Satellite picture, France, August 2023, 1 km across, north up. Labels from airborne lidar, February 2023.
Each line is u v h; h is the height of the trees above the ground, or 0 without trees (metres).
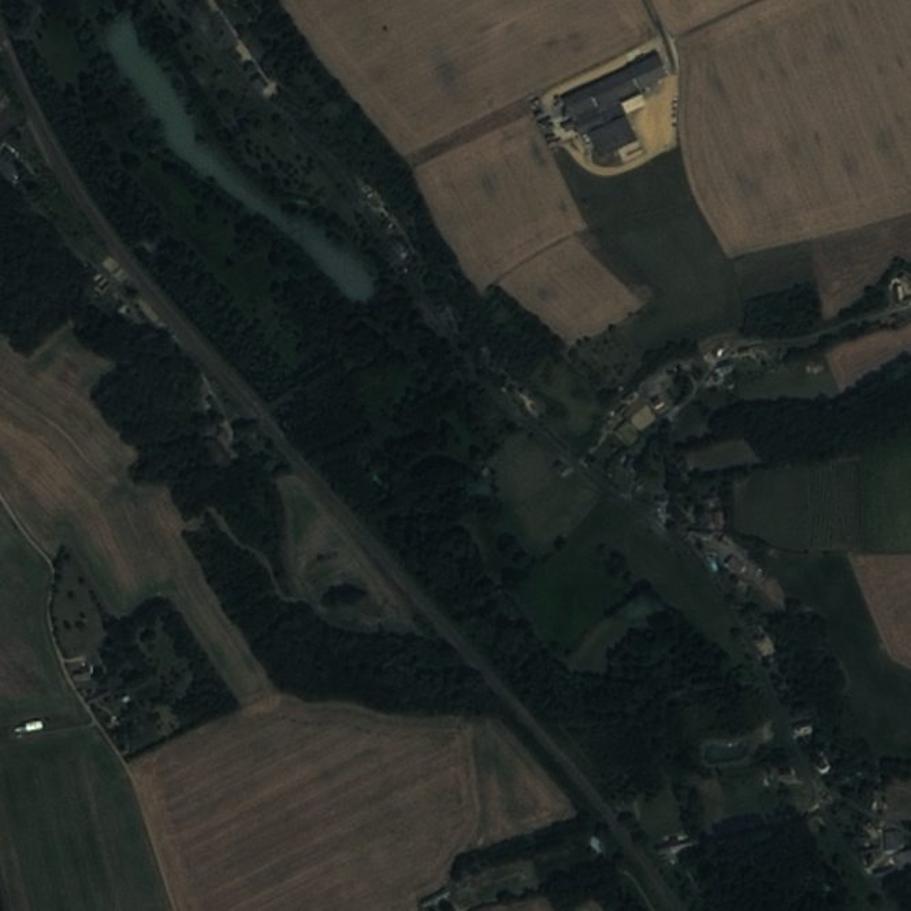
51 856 0
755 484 0
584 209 0
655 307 0
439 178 0
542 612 0
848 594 0
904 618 0
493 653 19
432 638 10
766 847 38
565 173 0
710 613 0
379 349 24
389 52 0
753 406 10
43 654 0
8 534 0
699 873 8
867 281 0
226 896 0
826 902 14
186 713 15
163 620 6
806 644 17
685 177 0
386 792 0
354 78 0
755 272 0
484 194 0
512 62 0
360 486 25
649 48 0
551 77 0
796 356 13
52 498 0
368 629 0
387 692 13
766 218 0
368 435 25
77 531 0
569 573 0
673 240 0
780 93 0
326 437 32
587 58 0
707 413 10
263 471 15
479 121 0
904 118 0
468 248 0
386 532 7
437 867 0
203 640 0
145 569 0
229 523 6
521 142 0
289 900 0
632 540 0
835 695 10
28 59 17
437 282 12
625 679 10
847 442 16
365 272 0
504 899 14
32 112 0
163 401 21
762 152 0
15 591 0
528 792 0
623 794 12
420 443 19
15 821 0
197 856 0
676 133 0
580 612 0
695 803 21
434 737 0
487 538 0
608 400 6
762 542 9
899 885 14
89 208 0
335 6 0
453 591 20
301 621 22
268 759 0
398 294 17
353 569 0
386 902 0
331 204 0
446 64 0
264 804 0
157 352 18
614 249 0
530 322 8
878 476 0
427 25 0
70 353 0
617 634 0
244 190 0
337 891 0
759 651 0
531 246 0
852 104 0
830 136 0
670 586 0
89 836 0
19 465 0
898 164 0
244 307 0
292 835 0
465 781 0
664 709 15
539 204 0
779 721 0
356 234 6
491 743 0
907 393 15
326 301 13
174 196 0
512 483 0
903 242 0
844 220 0
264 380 13
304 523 0
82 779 0
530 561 11
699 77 0
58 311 22
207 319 6
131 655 17
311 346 9
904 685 0
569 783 0
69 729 0
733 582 7
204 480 17
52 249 17
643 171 0
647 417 0
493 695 21
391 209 6
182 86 9
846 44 0
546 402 7
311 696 13
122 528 0
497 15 0
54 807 0
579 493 0
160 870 0
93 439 0
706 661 8
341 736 0
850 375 0
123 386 23
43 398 0
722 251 0
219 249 0
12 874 0
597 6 0
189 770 0
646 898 0
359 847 0
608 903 15
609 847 8
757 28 0
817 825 0
